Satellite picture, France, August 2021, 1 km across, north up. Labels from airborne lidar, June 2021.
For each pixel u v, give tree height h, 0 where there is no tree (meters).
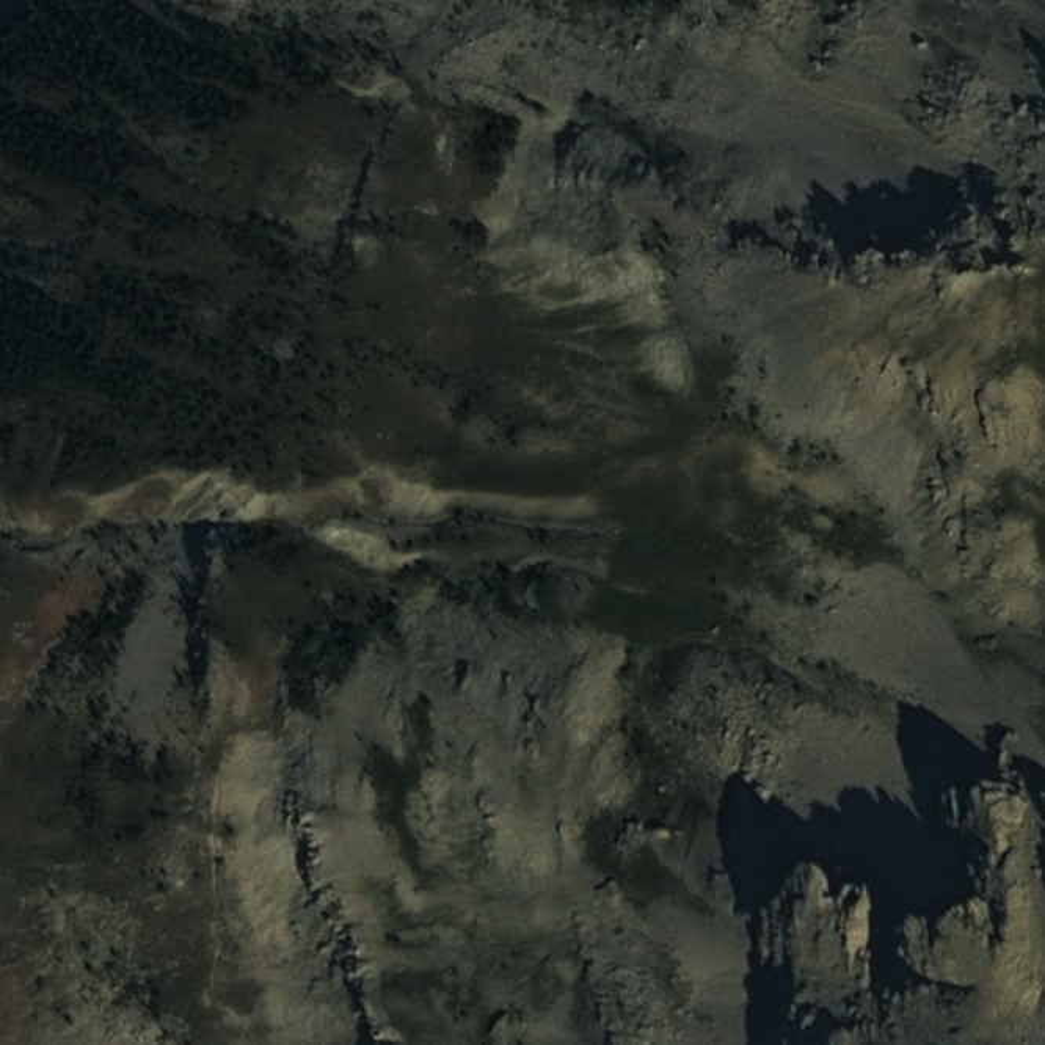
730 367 0
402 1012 0
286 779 0
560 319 0
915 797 0
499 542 0
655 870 0
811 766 0
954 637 0
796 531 0
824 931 0
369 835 0
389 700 0
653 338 0
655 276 0
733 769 0
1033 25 0
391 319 0
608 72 0
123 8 20
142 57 12
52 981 0
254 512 0
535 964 0
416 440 0
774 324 0
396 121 0
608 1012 0
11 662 0
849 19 0
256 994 0
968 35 0
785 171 0
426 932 0
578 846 0
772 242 0
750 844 0
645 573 0
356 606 10
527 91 0
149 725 0
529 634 0
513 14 0
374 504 0
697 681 0
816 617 0
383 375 0
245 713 0
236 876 0
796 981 0
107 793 0
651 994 0
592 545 0
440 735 0
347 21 0
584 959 0
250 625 0
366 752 0
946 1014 0
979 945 0
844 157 0
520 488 0
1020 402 0
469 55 0
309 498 0
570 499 0
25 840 0
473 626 0
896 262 0
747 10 0
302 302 0
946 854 0
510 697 0
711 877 0
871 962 0
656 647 0
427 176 0
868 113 0
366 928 0
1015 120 0
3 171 0
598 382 0
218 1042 0
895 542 0
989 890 0
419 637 0
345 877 0
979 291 0
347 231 0
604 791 0
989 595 0
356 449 0
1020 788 0
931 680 0
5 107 16
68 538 0
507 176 0
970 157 0
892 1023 0
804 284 0
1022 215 0
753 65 0
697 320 0
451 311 0
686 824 0
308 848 0
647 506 0
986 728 0
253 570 0
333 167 0
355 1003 0
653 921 0
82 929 0
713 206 0
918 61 0
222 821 0
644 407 0
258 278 0
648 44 0
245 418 8
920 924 0
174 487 0
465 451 0
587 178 0
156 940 0
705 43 0
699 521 0
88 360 11
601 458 0
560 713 0
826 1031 0
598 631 0
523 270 0
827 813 0
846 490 0
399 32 0
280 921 0
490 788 0
